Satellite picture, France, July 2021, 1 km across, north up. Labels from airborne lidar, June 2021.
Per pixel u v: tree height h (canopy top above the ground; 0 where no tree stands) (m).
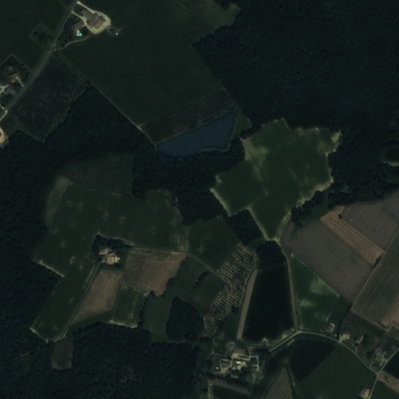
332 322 0
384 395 0
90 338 19
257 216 0
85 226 0
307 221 0
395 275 0
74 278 0
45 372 16
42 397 23
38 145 23
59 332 0
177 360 17
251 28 22
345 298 0
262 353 15
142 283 0
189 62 0
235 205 0
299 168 0
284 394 0
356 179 28
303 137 0
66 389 23
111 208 0
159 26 0
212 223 0
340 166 22
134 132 27
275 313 0
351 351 0
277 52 20
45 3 0
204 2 0
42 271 27
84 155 26
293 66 19
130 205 0
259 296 0
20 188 11
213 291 0
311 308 0
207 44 21
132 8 0
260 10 18
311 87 22
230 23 0
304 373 0
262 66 23
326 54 18
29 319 19
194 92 0
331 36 27
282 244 0
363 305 0
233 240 0
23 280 20
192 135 0
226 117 0
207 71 0
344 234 0
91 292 0
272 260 20
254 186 0
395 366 0
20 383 15
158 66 0
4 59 0
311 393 0
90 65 0
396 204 0
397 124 17
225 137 0
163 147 0
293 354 0
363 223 0
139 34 0
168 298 0
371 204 0
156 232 0
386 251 0
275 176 0
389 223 0
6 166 24
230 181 0
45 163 23
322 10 14
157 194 0
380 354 0
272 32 18
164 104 0
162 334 0
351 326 0
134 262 0
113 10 0
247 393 0
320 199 19
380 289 0
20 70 9
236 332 0
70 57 0
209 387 0
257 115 21
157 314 0
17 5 0
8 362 14
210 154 19
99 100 17
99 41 0
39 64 0
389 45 23
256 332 0
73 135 21
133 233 0
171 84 0
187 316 19
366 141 27
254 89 23
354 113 25
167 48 0
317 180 0
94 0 0
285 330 0
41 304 18
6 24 0
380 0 20
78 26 0
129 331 15
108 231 0
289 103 24
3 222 13
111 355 16
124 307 0
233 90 18
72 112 19
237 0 18
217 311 12
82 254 0
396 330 0
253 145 0
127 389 13
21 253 23
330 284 0
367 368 0
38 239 27
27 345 15
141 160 22
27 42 0
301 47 20
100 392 18
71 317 0
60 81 5
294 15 18
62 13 0
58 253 0
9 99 9
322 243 0
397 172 19
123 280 0
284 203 0
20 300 23
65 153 27
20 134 15
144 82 0
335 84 22
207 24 0
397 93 25
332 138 0
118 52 0
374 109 25
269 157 0
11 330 20
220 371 0
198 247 0
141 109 0
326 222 0
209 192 12
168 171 23
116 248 10
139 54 0
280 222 0
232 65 21
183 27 0
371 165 19
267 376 0
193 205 19
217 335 0
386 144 20
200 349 23
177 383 18
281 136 0
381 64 28
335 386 0
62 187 0
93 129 26
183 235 0
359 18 21
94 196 0
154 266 0
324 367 0
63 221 0
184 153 0
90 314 0
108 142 23
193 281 0
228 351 0
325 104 24
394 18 17
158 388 18
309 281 0
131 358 19
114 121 23
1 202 20
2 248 23
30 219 25
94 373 15
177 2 0
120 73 0
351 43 24
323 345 0
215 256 0
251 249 0
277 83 24
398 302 0
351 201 15
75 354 16
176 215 0
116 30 0
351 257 0
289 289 0
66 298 0
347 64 22
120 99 0
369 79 22
